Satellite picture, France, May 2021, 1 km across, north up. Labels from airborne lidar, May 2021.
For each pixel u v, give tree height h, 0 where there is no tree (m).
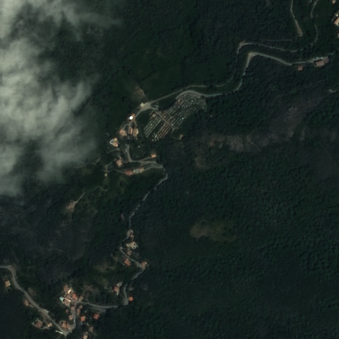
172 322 6
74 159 6
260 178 7
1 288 9
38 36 0
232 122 13
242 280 6
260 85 9
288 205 7
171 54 7
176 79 0
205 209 11
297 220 13
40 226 9
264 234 8
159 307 9
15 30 8
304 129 0
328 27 9
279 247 17
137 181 7
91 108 8
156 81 0
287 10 8
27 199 9
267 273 9
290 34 13
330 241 13
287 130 0
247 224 9
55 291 13
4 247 13
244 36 14
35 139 6
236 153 8
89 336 6
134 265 7
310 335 9
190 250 6
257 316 8
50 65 9
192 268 7
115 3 6
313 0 15
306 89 6
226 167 14
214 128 10
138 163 9
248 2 19
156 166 0
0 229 7
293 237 8
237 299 8
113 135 10
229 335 7
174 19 7
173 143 8
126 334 7
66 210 0
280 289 7
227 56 8
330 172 0
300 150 6
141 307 11
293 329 6
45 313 0
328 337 8
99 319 11
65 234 6
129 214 11
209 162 10
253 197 9
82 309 6
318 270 18
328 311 11
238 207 6
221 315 8
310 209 12
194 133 12
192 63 11
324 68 11
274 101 10
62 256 10
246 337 8
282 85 19
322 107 6
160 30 9
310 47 14
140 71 0
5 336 5
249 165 11
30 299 0
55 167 9
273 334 8
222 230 0
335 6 6
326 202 12
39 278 9
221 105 19
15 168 7
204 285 6
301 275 8
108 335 8
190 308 8
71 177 7
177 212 9
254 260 6
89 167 10
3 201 8
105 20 7
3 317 6
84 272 21
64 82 10
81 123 9
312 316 6
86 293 7
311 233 15
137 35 6
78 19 0
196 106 0
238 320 7
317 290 7
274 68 9
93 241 6
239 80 10
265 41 6
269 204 10
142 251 8
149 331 12
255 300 6
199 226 0
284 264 9
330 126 6
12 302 5
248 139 0
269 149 6
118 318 6
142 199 6
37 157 7
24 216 6
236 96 11
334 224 11
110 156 6
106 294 15
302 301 9
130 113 11
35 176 7
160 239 7
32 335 13
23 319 6
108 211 10
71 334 7
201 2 6
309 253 8
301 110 0
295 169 12
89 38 6
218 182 10
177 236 8
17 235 7
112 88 6
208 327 7
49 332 10
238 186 15
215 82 14
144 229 9
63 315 0
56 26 0
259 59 8
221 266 12
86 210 13
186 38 10
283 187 7
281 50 9
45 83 5
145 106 0
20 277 6
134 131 0
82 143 11
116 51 9
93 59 8
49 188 10
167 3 10
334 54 7
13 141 9
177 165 7
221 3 9
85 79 12
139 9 15
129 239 9
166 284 10
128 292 9
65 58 10
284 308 8
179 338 6
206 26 16
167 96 0
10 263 0
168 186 8
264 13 15
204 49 16
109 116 14
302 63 6
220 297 7
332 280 7
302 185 10
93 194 10
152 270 11
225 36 8
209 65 8
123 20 10
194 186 12
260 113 12
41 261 11
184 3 17
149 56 8
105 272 0
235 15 8
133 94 0
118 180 0
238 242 10
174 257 6
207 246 7
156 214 6
